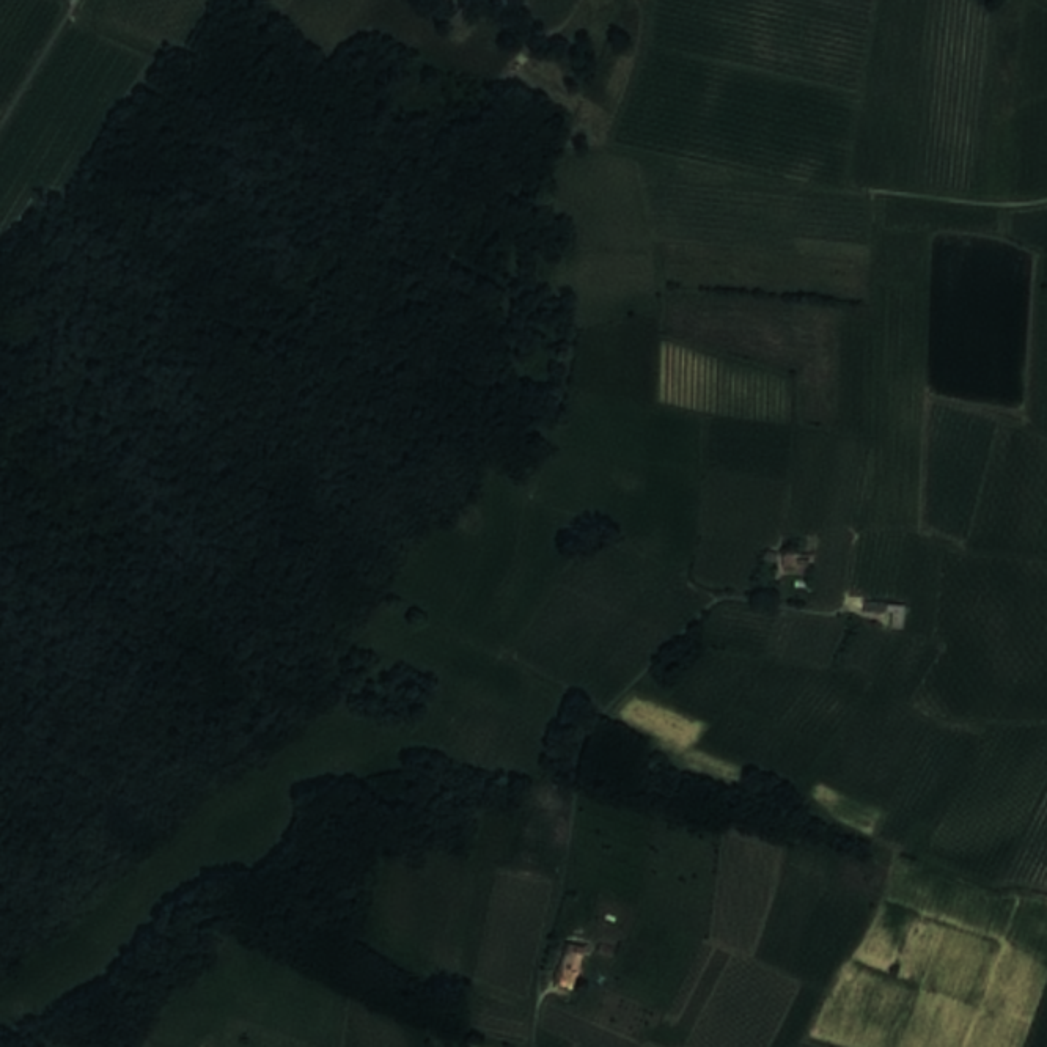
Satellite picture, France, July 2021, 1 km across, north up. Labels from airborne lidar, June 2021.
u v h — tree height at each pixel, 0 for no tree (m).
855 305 8
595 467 0
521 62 0
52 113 0
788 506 0
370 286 20
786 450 0
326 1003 0
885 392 0
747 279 0
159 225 27
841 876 0
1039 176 0
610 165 0
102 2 0
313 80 27
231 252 24
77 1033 20
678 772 10
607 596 0
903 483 0
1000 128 0
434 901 0
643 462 0
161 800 20
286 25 20
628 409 0
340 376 21
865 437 0
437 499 17
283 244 25
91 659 24
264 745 14
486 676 0
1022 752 0
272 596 17
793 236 0
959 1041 0
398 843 14
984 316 0
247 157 13
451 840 17
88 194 19
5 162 0
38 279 11
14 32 0
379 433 18
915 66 0
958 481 0
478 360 25
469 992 21
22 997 0
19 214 0
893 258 0
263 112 22
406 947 0
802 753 0
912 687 0
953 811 0
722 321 0
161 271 23
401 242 25
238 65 25
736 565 0
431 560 0
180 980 17
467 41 0
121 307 25
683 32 0
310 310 20
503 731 0
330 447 20
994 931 0
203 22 7
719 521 0
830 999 0
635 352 0
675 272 0
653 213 0
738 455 0
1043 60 0
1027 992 0
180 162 15
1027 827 0
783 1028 0
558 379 13
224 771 25
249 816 0
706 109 0
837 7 0
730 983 0
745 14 0
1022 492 0
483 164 22
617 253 0
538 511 0
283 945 18
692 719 0
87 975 0
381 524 21
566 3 0
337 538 25
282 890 20
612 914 0
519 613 0
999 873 0
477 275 21
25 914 16
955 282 0
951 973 0
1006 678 0
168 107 22
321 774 0
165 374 29
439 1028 16
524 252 11
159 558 16
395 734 0
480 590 0
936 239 0
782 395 0
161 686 24
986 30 0
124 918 0
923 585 0
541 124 22
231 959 0
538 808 0
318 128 20
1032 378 0
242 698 23
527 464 15
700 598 0
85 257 27
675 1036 0
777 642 0
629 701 0
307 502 27
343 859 20
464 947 0
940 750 0
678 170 0
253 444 21
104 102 0
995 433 0
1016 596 0
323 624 23
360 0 0
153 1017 18
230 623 25
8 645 20
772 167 0
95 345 16
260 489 25
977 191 0
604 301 0
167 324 25
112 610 26
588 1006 0
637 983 0
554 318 19
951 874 0
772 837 13
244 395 14
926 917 0
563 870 0
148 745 15
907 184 0
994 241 0
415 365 24
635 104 0
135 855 16
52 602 26
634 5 0
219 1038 0
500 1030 0
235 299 24
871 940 0
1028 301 0
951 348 0
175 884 0
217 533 20
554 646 0
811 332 0
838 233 0
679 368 0
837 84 0
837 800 0
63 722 20
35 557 20
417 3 22
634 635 0
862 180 0
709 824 16
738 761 0
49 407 6
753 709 0
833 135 0
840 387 0
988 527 0
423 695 17
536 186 7
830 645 0
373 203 14
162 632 24
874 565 0
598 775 14
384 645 0
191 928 25
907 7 0
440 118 7
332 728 0
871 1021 0
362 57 23
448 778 12
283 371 23
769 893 0
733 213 0
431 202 23
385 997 11
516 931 0
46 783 25
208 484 16
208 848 0
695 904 0
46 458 17
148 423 14
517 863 0
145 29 0
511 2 16
